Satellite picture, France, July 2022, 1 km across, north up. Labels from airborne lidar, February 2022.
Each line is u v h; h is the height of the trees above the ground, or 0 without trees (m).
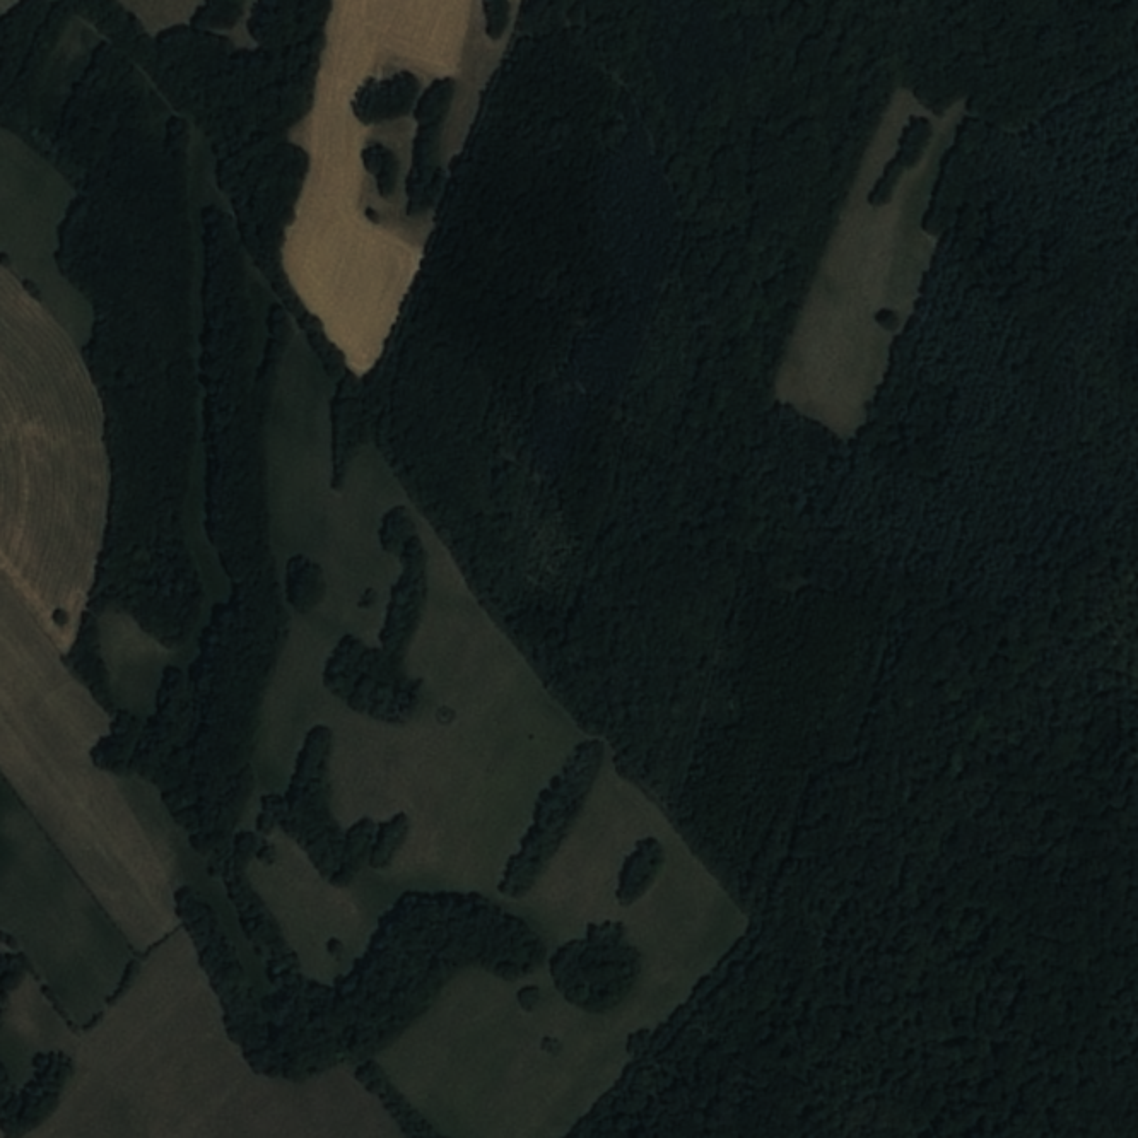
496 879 0
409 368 17
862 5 15
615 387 11
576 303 10
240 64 19
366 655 9
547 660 12
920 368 12
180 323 17
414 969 20
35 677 0
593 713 12
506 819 0
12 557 0
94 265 19
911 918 20
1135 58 15
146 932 0
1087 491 11
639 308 10
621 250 11
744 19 10
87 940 0
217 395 18
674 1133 18
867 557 17
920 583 16
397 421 16
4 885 0
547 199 14
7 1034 0
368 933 0
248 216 15
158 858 0
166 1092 0
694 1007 8
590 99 12
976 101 14
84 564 0
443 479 16
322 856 10
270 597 11
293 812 17
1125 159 20
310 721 0
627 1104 14
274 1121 0
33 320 0
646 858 13
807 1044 24
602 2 9
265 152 16
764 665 11
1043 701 15
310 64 15
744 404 17
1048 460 13
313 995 17
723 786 11
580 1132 8
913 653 23
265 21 22
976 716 18
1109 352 11
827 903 20
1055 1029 30
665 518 22
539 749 0
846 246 0
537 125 11
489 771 0
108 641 0
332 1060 18
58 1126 0
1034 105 11
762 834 7
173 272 16
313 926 0
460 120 0
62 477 0
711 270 10
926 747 19
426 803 0
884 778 19
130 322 16
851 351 0
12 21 13
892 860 16
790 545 18
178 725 12
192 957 0
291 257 0
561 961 12
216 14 14
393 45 0
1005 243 24
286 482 0
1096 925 24
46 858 0
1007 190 15
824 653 12
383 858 10
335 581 0
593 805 0
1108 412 19
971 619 22
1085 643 12
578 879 0
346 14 0
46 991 9
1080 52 7
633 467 10
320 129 0
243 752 19
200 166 0
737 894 7
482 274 13
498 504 8
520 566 6
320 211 0
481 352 13
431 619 0
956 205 13
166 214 19
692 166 13
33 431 0
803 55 17
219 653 23
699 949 0
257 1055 18
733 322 15
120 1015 0
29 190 0
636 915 0
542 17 10
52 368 0
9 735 0
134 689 0
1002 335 18
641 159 10
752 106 6
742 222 9
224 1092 0
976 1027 26
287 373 0
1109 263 13
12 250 0
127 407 18
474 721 0
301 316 9
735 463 7
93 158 18
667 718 13
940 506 17
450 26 0
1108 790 11
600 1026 0
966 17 13
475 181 14
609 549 16
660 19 12
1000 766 24
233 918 0
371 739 0
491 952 17
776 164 19
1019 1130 21
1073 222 21
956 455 19
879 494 11
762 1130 23
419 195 17
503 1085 0
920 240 0
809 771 7
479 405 17
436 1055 0
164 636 10
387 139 0
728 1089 25
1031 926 23
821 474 10
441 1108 0
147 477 17
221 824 17
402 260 0
